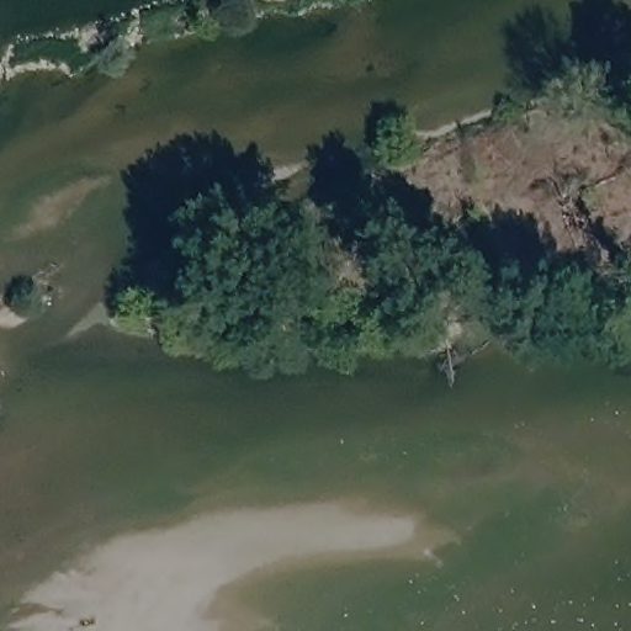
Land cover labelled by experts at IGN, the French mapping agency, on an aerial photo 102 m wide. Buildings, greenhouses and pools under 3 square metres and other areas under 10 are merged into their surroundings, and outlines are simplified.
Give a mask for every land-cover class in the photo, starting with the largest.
<instances>
[{"label":"water","instance_id":"1","mask_svg":"<svg viewBox=\"0 0 631 631\"><path fill-rule=\"evenodd\" d=\"M150 2L168 0H0V59L7 44H12L20 37L57 39L62 35L71 30H84L86 25L96 27L101 20L118 17L121 12L140 10ZM564 59H572L577 67L596 62L604 84L609 86L614 79L624 81L631 76V0H367L362 5L318 7L301 17L266 15L259 22L249 35H224L214 39L180 37L168 42L138 44L133 47V59L121 76H108L94 67L81 71L79 76H67L64 71L35 69L0 79V631H15L12 621L42 614L44 606L27 604V592H32L37 584H44L57 572H69L76 557L91 555L96 547L108 545L113 537L150 530H170L195 520L197 515L249 508L269 510L335 500L357 518H412V537L407 542L380 550L316 552L308 557H286L276 564L251 569L249 574L229 584H222L214 592L207 606V619L217 621L219 631H631V362L621 367L601 362H577L572 367H527L510 357V352L498 350L488 343L471 348L454 343L451 348L426 357H360L357 367L350 375L323 367L318 365V360H311L303 372H279L269 380H259L251 377L244 367L219 370L212 362L192 355H170L163 350V343L153 335H128L113 330L111 325H94L74 340L69 338V330L81 318H86L96 306H108L118 298L128 288L160 291L165 283H175L177 274L187 269V256H182L173 246V239L177 237L175 212L195 197V190L202 185L222 187L224 200L232 210L254 205L259 200L274 202L291 212H298L303 202H313L316 207L328 205L335 195L357 192L360 180L367 173L362 170L360 153L365 148L377 145V128L387 118L409 116L417 121L419 131H434L446 123H456L466 116H473L478 111H488L498 108L500 104L518 106L520 101H532L542 96L547 81L560 79L567 71L562 67ZM30 288L44 293L42 303L47 306V313L37 320L22 323V316L12 313L7 306L15 296Z\"/></svg>","mask_w":631,"mask_h":631},{"label":"deciduous trees","instance_id":"2","mask_svg":"<svg viewBox=\"0 0 631 631\"><path fill-rule=\"evenodd\" d=\"M210 15L217 20L224 35H249L259 22L251 17L246 0H222L217 7H210ZM133 59V47L126 44V35H118L106 49L96 52L91 57L94 67L108 76H121ZM592 111L582 118L584 126L606 121L609 126L621 128L631 143V76L624 81L614 79L609 86L604 84L601 91L589 94ZM525 111L518 106L500 104L498 108L488 111V118L458 126L456 131L458 138L486 136L488 131L498 133L505 126H513L518 133H530L527 121L523 118ZM419 131L417 121L409 116L387 118L377 128V145L365 148L360 153L362 170L367 173L372 177H382L387 173H394L399 163L419 160L421 138H417ZM177 237L173 239V246L182 256H187V269L177 274L175 283H165L160 291L128 288L118 298V313L111 318V325L113 330L128 335H153L163 343V350L170 355H192L212 362L219 370L244 367L251 377L259 380H269L279 372H303L311 360H318V365L323 367L350 375L357 367L360 357H426L451 348L454 343L471 348L488 343L498 350L510 352V357L527 367H572L577 362H601L621 367L631 362V239L619 242L629 254L621 266L599 259L596 269L579 271L577 266H555L542 259L537 261L532 256H520L518 264L500 269L491 256L483 259V254L476 249H463V244L454 237L407 224L404 210L397 205V200H387L385 210L367 212L370 222L365 229L360 227L348 232L345 239L330 237L325 227H320L325 219L333 217V205H328L316 207L313 202H303L298 212H291L274 202L259 200L254 205L232 210L224 200L222 187L202 185L195 190V197L175 212ZM350 259L360 269L357 276H362L365 291L360 288V279L343 281L335 276L338 269L345 266ZM44 293L30 288L15 296L7 306L12 313L22 316V323L37 320L47 313V306L42 303Z\"/></svg>","mask_w":631,"mask_h":631},{"label":"herbaceous vegetation","instance_id":"3","mask_svg":"<svg viewBox=\"0 0 631 631\"><path fill-rule=\"evenodd\" d=\"M523 118L527 121L530 133H518L513 126H505L498 133L488 131L486 136L458 138L456 131L441 138H421L419 160L399 163L394 173H387L382 177H372L367 173L360 180L357 192L335 195L328 205H333V217L325 219L320 227H325L330 237L345 239L348 232L360 227L365 229L370 222L367 212L385 210L387 200H397V205L404 210L407 224L454 237L463 244V249H476L483 254V259L491 256L500 269L518 264L520 256H532L537 261L542 259L555 266H577L579 271L596 269L599 259L621 266L629 254L619 242L631 239V143L621 128L609 126L606 121L584 126L582 118L574 116L572 121H552L542 108L525 111ZM360 269L350 259L345 266L338 269L335 276L343 281L360 279V288L365 291L362 276H357Z\"/></svg>","mask_w":631,"mask_h":631},{"label":"bare soil","instance_id":"4","mask_svg":"<svg viewBox=\"0 0 631 631\"><path fill-rule=\"evenodd\" d=\"M62 35L64 39H76L81 52H96L106 49L118 35H126V44L133 47L138 44L140 10L121 12L118 17L101 20L96 27L86 25L84 30H71ZM12 44H7L0 59V79L35 69L64 71L69 67L67 62L49 59L10 64ZM488 118V111H478L473 116H466L456 123H446L434 131H419L417 138H441L456 131L458 126ZM118 313V298L108 306H96L86 318H81L69 330V338L74 340L94 325H111V318ZM412 518H357L335 500L269 510L249 508L197 515L195 520L170 530H150L113 537L108 545L96 547L91 555L76 557L69 572H57L44 584H37L32 592H27V604L44 606L42 614L12 621L15 631H219L217 621L207 619V606L214 592L222 584H229L249 574L251 569L276 564L286 557H308L316 552L380 550L407 542L412 537Z\"/></svg>","mask_w":631,"mask_h":631},{"label":"brushwood","instance_id":"5","mask_svg":"<svg viewBox=\"0 0 631 631\"><path fill-rule=\"evenodd\" d=\"M222 0H168L150 2L140 10L138 44L168 42L180 37L214 39L224 35L217 20L210 15V7H217ZM251 17L259 22L266 15L301 17L318 7L362 5L367 0H246ZM96 52H81L76 39H64L62 35L57 39L20 37L12 44L10 64L49 59L67 62L69 67L64 71L67 76H79L81 71L94 67L91 57Z\"/></svg>","mask_w":631,"mask_h":631},{"label":"coniferous trees","instance_id":"6","mask_svg":"<svg viewBox=\"0 0 631 631\"><path fill-rule=\"evenodd\" d=\"M562 67L567 71L560 79L547 81L542 96L532 101H520L518 106L525 111L542 108L552 121H572L574 116L582 118L592 111L589 94L601 91L604 84L596 62L577 67L572 59H564Z\"/></svg>","mask_w":631,"mask_h":631}]
</instances>
